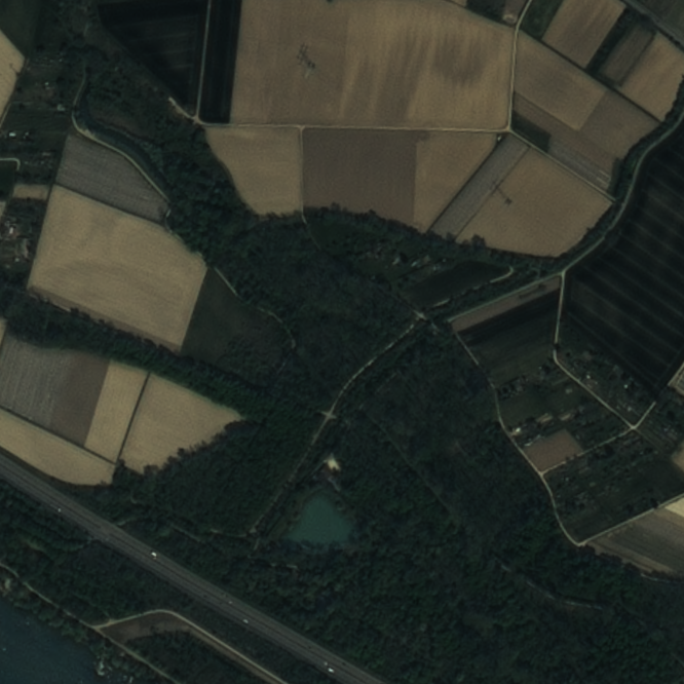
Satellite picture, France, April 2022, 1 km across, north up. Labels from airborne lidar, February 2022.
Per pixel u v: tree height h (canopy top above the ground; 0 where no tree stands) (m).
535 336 0
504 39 0
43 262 0
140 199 0
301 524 0
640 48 0
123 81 0
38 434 0
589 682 25
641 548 0
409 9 0
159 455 0
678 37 0
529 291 0
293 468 17
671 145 0
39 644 0
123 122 0
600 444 0
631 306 0
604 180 0
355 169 0
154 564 0
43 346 19
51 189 0
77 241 0
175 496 21
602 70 0
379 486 22
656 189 0
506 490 0
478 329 0
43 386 0
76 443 0
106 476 0
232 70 0
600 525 0
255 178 0
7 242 0
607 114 0
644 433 0
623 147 0
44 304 24
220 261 18
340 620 19
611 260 0
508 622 22
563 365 0
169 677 0
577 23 0
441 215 0
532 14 0
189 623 0
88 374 0
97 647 24
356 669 0
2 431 0
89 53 25
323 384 28
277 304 18
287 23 0
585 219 0
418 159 0
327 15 0
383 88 0
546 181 0
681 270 0
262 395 23
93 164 0
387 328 27
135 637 0
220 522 21
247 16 0
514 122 0
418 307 0
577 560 22
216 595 0
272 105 0
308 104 0
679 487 0
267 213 0
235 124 0
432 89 0
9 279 24
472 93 0
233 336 0
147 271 0
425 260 0
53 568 20
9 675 0
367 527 21
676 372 0
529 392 0
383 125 0
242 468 21
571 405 0
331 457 19
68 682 0
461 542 26
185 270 0
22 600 15
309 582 17
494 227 0
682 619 29
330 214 12
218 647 0
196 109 0
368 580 19
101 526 0
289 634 0
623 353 0
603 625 32
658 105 0
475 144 0
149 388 0
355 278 42
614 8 0
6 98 0
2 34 0
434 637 17
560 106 0
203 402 0
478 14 0
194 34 0
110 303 0
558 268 13
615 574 27
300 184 0
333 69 0
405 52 0
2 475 0
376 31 0
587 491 0
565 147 0
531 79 0
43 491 0
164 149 13
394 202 0
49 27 0
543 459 0
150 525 18
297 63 0
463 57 0
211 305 0
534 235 0
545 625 32
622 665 26
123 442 0
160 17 0
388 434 10
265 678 0
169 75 0
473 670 20
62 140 0
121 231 0
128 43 0
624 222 0
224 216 19
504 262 10
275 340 0
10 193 0
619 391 0
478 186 0
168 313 0
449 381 0
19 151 0
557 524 19
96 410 0
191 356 0
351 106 0
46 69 0
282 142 0
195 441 0
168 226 25
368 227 15
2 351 0
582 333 0
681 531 0
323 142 0
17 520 21
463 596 20
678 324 0
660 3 0
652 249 0
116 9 0
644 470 0
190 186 28
